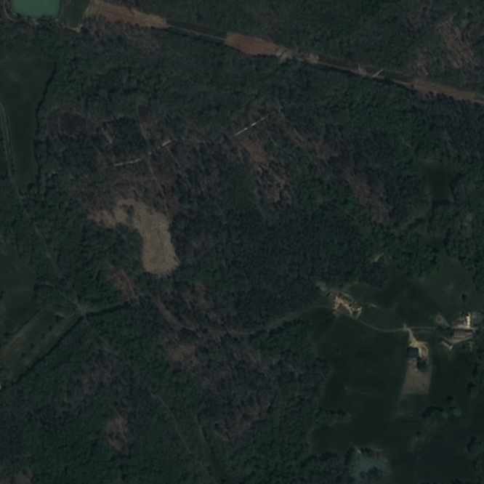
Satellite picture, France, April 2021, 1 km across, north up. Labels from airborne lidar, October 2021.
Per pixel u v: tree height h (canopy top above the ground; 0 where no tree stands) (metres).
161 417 15
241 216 19
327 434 0
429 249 20
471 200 23
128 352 17
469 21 17
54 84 17
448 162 13
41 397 21
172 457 19
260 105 23
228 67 21
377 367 0
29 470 7
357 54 14
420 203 24
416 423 0
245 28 19
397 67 18
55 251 10
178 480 18
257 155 0
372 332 0
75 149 27
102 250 20
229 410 19
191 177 21
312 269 9
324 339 0
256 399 10
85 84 26
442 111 17
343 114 21
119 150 23
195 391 17
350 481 6
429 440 0
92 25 12
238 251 18
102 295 22
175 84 15
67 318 0
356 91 21
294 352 17
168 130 16
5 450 25
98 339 18
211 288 17
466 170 19
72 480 13
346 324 0
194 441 14
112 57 15
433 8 9
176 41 20
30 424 25
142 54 14
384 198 8
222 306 15
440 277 0
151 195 18
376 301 0
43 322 0
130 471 23
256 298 23
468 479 0
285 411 14
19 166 0
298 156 20
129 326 14
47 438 26
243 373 19
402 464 0
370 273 24
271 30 9
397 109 26
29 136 0
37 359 0
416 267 19
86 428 21
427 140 25
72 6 0
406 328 0
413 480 0
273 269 15
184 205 19
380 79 6
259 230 26
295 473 25
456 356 0
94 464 22
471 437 0
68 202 14
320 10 15
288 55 0
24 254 15
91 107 20
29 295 0
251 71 21
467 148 24
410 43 15
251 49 0
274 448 29
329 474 16
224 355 13
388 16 19
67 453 18
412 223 20
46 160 20
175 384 14
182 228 18
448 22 16
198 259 17
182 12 19
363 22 27
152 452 26
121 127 27
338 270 24
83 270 15
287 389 21
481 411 0
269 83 26
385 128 23
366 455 17
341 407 0
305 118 15
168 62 18
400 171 20
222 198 18
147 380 25
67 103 18
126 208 14
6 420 17
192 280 19
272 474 13
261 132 24
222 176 15
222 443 16
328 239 25
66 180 19
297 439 23
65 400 19
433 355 0
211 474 11
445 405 0
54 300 18
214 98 15
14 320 0
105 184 14
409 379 0
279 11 18
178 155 17
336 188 18
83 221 21
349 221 22
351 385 0
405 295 0
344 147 19
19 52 18
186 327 27
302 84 25
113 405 19
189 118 16
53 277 13
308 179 24
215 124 18
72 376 20
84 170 25
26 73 0
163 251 0
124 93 7
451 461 0
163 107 22
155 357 18
